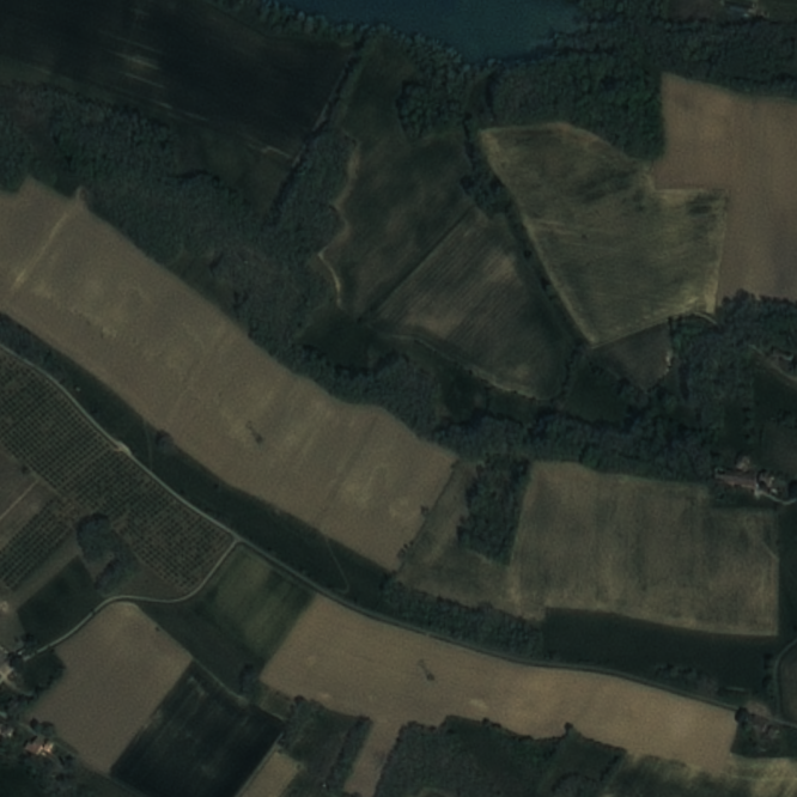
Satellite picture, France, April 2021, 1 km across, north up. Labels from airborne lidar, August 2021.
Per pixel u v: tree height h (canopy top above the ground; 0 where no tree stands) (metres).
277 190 0
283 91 0
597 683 0
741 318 19
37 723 7
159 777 0
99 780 0
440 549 0
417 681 0
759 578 0
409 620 7
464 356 0
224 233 18
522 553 0
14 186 18
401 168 0
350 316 0
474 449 27
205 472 0
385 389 14
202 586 0
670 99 0
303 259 14
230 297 0
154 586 0
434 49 14
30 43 0
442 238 0
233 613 0
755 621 0
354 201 0
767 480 0
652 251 0
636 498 0
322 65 0
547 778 14
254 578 0
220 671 0
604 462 22
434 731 12
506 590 0
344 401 10
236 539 0
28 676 0
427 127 25
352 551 0
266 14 7
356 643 0
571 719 0
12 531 0
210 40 0
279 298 17
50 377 12
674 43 23
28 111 0
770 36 20
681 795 0
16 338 19
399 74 0
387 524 0
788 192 0
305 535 0
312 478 0
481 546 17
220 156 0
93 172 25
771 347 13
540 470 0
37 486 0
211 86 0
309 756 0
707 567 0
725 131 0
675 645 0
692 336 7
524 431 17
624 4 19
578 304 0
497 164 0
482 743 0
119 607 0
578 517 0
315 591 0
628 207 0
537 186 0
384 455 0
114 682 0
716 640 0
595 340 0
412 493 0
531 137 0
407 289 0
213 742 0
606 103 27
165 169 17
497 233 0
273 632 0
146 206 16
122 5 0
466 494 0
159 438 8
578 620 0
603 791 11
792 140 0
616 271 0
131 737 0
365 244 0
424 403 24
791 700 0
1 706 6
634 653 0
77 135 21
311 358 23
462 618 14
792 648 0
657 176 0
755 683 0
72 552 0
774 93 19
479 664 0
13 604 0
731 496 12
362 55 14
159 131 19
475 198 28
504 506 17
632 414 0
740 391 17
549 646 0
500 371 0
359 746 17
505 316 0
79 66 0
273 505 0
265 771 0
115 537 18
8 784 0
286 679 0
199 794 0
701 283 0
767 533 0
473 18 0
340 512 0
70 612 0
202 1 0
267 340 16
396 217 0
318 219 24
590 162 0
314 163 18
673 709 0
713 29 18
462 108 14
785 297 0
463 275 0
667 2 16
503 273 0
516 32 0
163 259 16
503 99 23
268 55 0
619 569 0
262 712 0
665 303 0
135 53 0
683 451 18
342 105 9
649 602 0
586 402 0
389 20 0
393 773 15
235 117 0
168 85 0
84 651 0
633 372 0
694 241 0
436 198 0
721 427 14
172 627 0
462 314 0
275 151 0
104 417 0
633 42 18
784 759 0
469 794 11
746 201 0
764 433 6
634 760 0
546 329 0
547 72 17
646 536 0
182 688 0
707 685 10
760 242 0
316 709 15
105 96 0
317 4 0
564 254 0
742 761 0
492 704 0
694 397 24
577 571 0
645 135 19
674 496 0
